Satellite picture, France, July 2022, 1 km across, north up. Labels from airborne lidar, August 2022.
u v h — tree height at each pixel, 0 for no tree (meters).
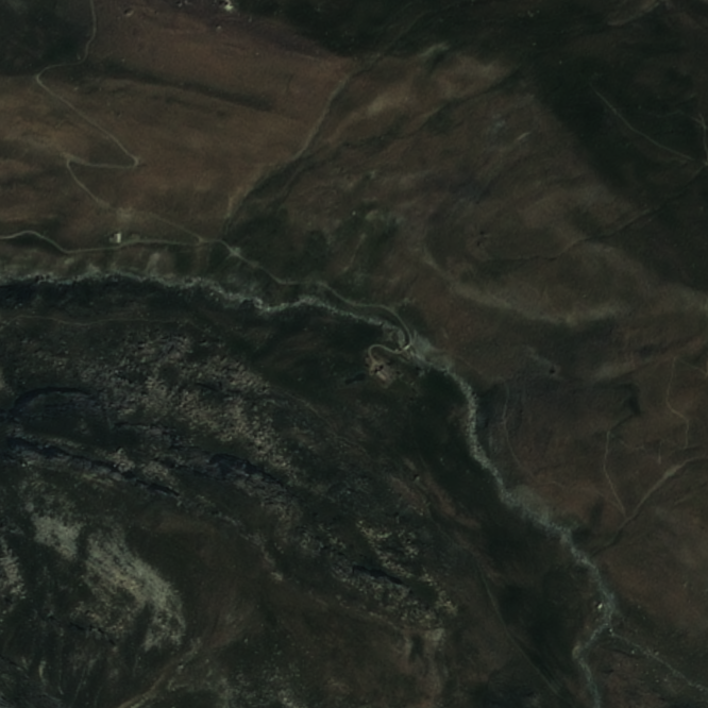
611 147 0
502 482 0
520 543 0
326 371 0
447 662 0
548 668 0
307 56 0
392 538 0
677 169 0
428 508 0
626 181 0
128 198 0
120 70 0
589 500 0
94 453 0
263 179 0
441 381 0
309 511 7
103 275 0
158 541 0
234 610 0
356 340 0
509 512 0
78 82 0
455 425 0
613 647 0
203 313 0
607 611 0
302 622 0
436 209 0
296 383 0
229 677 0
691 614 0
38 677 0
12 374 0
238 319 0
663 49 0
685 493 0
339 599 0
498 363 0
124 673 0
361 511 0
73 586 0
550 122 0
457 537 0
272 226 0
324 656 0
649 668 0
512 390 0
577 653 0
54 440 0
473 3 0
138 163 0
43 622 0
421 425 0
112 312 0
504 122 0
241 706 0
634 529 0
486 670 0
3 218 0
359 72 0
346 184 0
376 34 0
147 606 0
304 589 0
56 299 0
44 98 0
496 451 0
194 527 0
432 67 0
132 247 0
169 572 0
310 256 0
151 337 0
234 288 0
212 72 0
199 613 0
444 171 0
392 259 0
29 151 0
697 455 0
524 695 0
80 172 0
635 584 0
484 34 0
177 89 0
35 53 0
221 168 0
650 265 0
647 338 0
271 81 0
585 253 0
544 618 0
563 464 0
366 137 0
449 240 0
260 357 0
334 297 0
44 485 0
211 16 0
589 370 0
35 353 0
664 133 0
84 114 0
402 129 0
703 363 0
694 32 0
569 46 0
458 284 0
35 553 0
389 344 0
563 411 0
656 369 0
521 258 0
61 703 0
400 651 0
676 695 0
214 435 0
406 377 0
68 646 0
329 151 0
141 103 0
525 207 0
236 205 0
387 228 0
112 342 0
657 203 0
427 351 0
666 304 0
